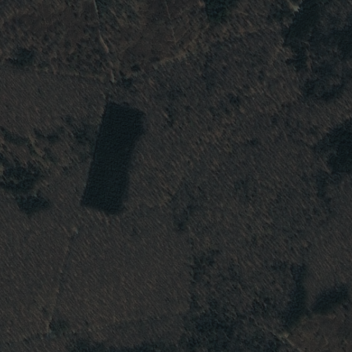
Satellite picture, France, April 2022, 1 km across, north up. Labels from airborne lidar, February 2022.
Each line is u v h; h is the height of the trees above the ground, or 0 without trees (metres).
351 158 20
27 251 26
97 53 15
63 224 24
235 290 19
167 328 25
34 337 24
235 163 27
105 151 21
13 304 24
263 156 28
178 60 0
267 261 30
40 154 0
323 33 23
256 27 29
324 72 20
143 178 28
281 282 26
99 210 26
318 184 28
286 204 26
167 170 30
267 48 28
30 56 25
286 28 29
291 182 29
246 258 30
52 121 0
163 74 27
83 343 22
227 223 31
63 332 16
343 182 29
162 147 31
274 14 25
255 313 26
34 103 0
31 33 5
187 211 28
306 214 28
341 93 26
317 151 26
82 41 8
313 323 9
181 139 27
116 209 20
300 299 33
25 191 9
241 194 31
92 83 22
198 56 0
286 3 24
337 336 7
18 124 0
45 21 6
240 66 25
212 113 31
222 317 28
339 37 29
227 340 26
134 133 22
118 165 19
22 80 0
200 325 29
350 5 24
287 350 26
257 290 27
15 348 27
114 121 20
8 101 0
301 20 24
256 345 29
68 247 23
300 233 14
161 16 7
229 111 27
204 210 31
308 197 25
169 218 27
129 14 25
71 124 26
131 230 29
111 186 21
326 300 29
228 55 31
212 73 28
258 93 23
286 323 27
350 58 28
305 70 28
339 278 25
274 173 30
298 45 31
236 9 34
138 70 10
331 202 22
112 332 23
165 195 28
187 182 27
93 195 22
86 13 10
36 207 25
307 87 27
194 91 29
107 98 23
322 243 24
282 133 31
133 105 23
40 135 21
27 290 26
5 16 31
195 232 27
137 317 25
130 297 24
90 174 15
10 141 18
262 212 29
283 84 27
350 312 29
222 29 31
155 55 6
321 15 24
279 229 30
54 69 27
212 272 29
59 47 33
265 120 31
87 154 26
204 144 29
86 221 29
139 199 28
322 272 25
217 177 30
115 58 28
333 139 23
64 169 0
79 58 10
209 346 20
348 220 24
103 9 22
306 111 29
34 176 26
